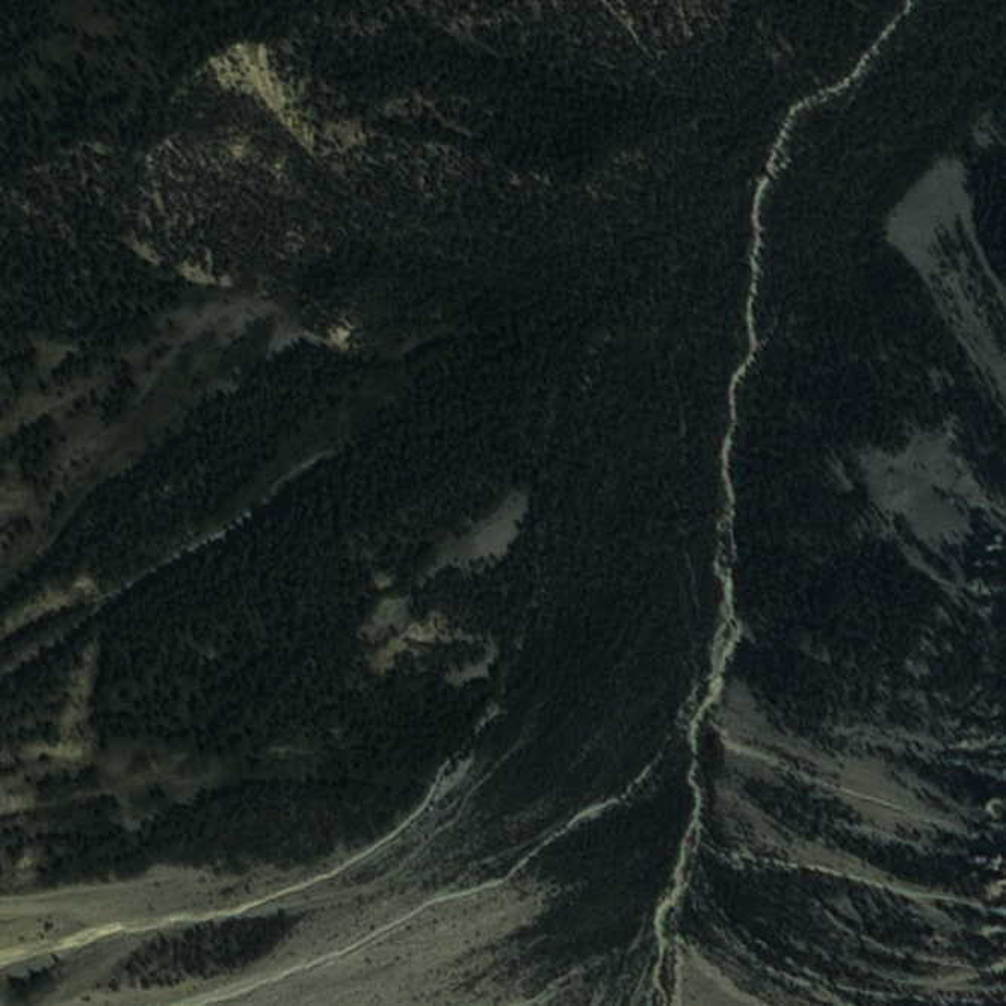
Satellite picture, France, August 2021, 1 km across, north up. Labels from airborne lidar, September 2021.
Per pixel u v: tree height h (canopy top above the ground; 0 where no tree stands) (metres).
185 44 18
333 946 0
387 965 0
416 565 13
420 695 9
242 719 20
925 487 0
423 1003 0
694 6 6
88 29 0
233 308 0
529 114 18
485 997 0
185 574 22
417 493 15
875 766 0
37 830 0
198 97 9
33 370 24
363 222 13
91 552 15
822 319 12
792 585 7
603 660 7
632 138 17
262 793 14
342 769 14
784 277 9
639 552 11
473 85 17
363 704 22
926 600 9
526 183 13
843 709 8
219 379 0
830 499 9
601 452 12
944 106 12
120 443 0
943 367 9
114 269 8
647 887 9
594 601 11
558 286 12
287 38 18
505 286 12
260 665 20
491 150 20
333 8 12
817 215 12
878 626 12
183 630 11
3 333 17
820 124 8
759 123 17
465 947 0
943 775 6
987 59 11
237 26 7
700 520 11
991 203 16
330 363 19
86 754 0
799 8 19
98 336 15
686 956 0
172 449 9
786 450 9
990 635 8
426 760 13
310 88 7
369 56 10
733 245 12
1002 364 0
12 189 16
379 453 17
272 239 9
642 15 9
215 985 0
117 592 0
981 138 0
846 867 0
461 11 10
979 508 0
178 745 16
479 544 0
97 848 9
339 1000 0
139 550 23
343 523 24
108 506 10
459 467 19
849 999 9
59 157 17
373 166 13
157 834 16
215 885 0
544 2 10
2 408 16
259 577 14
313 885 0
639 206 14
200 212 11
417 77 16
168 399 0
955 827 0
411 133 18
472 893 0
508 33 16
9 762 0
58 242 21
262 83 0
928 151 9
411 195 18
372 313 6
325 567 14
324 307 8
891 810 0
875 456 0
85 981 0
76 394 0
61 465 0
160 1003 0
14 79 21
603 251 12
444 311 12
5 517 0
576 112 19
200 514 23
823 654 8
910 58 8
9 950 0
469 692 15
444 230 7
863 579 9
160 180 9
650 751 10
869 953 11
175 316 0
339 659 20
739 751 0
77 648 14
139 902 0
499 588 17
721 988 0
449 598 16
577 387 17
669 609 11
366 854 0
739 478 13
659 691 9
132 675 21
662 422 13
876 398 14
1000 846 0
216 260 9
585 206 10
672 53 13
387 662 0
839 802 7
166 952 7
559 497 15
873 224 9
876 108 11
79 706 0
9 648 6
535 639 8
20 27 10
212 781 0
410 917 0
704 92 11
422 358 16
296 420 15
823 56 12
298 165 13
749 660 10
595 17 18
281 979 0
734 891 8
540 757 6
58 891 0
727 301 8
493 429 15
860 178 10
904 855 8
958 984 0
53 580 13
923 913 0
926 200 0
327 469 14
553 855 6
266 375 11
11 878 0
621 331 20
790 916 8
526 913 0
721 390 9
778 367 13
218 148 8
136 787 0
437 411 23
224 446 24
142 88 0
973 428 9
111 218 19
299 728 8
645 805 9
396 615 0
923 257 0
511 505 0
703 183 13
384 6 15
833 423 11
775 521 11
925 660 6
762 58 7
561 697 8
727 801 0
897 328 7
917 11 7
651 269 12
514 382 21
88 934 0
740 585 14
